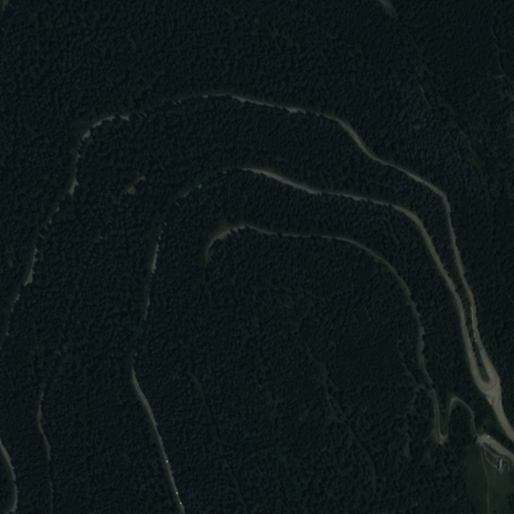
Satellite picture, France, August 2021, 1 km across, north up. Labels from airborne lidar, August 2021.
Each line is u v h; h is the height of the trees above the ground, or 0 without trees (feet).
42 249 60
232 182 60
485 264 86
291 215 57
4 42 52
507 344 83
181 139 76
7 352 66
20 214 54
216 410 51
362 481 58
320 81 52
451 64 52
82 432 69
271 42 35
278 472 30
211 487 85
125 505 57
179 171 68
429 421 29
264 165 73
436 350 83
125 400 23
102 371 53
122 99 88
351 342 54
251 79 68
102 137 17
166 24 79
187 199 37
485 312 46
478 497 0
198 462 70
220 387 54
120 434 47
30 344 53
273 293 48
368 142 58
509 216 75
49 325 66
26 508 46
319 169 74
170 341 73
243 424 43
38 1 60
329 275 44
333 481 25
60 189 31
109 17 78
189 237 60
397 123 48
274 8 75
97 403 49
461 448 43
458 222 68
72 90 69
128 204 43
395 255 60
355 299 75
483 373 0
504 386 43
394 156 47
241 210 77
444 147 96
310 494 55
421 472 46
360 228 63
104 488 43
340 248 32
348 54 64
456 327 54
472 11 73
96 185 47
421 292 77
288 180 0
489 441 0
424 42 64
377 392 66
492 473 0
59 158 68
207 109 68
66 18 82
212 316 41
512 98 48
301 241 34
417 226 37
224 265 63
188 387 95
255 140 85
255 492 58
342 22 51
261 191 60
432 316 77
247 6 72
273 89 80
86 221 73
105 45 73
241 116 80
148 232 97
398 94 45
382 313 63
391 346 62
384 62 75
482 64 51
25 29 57
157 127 71
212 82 80
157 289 58
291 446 35
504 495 0
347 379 21
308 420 31
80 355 56
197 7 78
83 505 66
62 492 52
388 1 0
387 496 90
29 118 74
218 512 51
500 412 0
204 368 59
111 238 52
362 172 53
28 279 0
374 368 35
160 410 63
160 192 69
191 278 57
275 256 24
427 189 72
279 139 75
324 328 29
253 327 75
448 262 76
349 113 71
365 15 56
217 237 0
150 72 78
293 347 64
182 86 68
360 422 33
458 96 54
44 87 42
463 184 74
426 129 88
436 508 71
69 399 54
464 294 28
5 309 74
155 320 44
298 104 84
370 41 63
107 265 53
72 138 49
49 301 68
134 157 64
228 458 69
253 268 52
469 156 93
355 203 68
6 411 58
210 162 72
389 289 62
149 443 54
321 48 86
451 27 57
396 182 91
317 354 36
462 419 57
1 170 0
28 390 60
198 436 43
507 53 48
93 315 68
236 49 44
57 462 57
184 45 78
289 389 37
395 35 71
